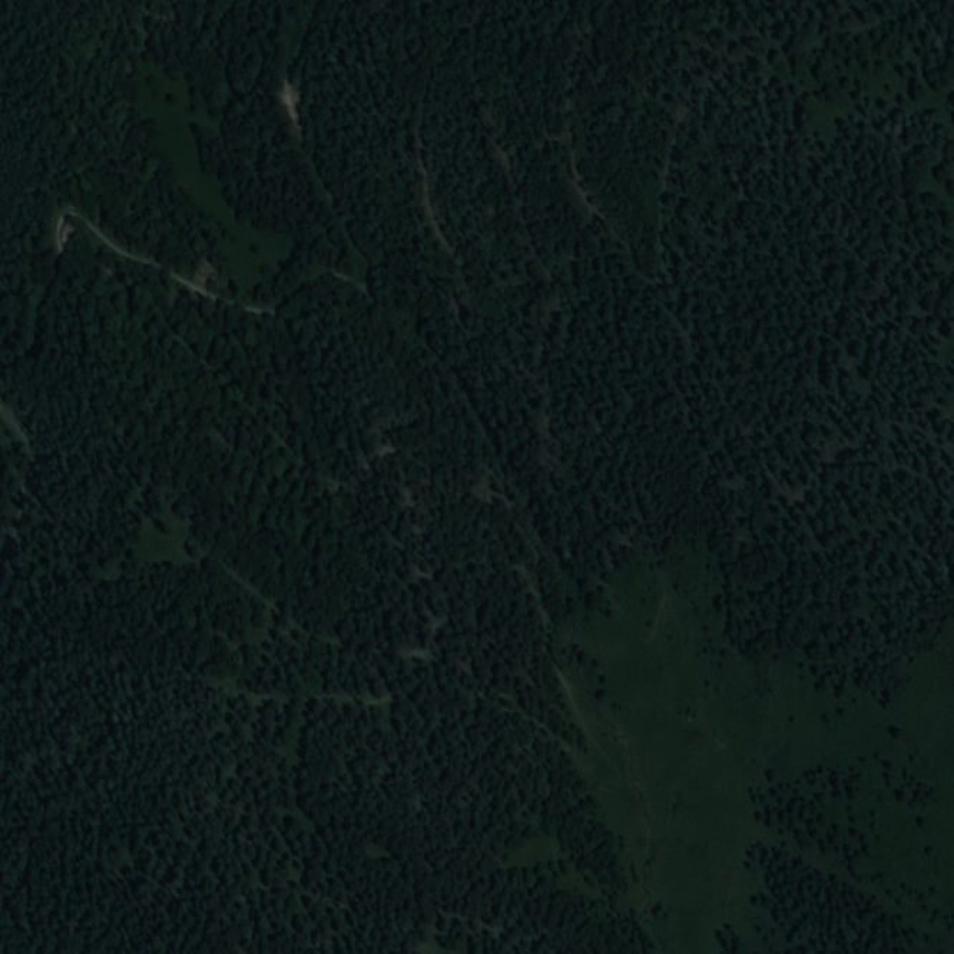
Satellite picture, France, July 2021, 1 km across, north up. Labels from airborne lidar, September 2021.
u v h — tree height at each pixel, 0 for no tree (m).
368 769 23
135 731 21
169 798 24
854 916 11
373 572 6
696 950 0
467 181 25
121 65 24
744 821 0
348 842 22
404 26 21
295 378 13
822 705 0
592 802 15
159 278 20
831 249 10
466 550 27
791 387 26
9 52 28
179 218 35
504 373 6
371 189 27
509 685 22
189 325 21
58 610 17
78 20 21
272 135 17
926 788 14
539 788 21
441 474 28
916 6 10
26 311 22
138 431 29
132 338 23
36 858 17
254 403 18
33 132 22
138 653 23
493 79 16
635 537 10
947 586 27
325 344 32
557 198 17
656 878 0
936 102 0
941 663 0
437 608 33
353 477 24
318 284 12
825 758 0
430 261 30
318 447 13
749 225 25
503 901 23
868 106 7
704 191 7
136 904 25
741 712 0
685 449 27
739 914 0
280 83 16
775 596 21
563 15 13
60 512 33
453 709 27
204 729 21
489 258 24
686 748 0
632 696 0
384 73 12
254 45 16
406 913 22
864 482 27
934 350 22
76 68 24
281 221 22
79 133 12
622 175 10
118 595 19
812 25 18
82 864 14
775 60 20
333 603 18
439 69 18
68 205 12
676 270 6
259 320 18
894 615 28
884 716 0
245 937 25
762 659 5
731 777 0
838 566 23
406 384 7
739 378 30
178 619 22
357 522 13
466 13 21
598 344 21
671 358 27
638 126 7
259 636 0
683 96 10
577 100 8
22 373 18
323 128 10
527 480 24
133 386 18
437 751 24
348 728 26
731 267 27
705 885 0
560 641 6
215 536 11
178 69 12
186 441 17
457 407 32
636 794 0
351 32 12
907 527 7
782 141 22
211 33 30
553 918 25
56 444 27
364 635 28
